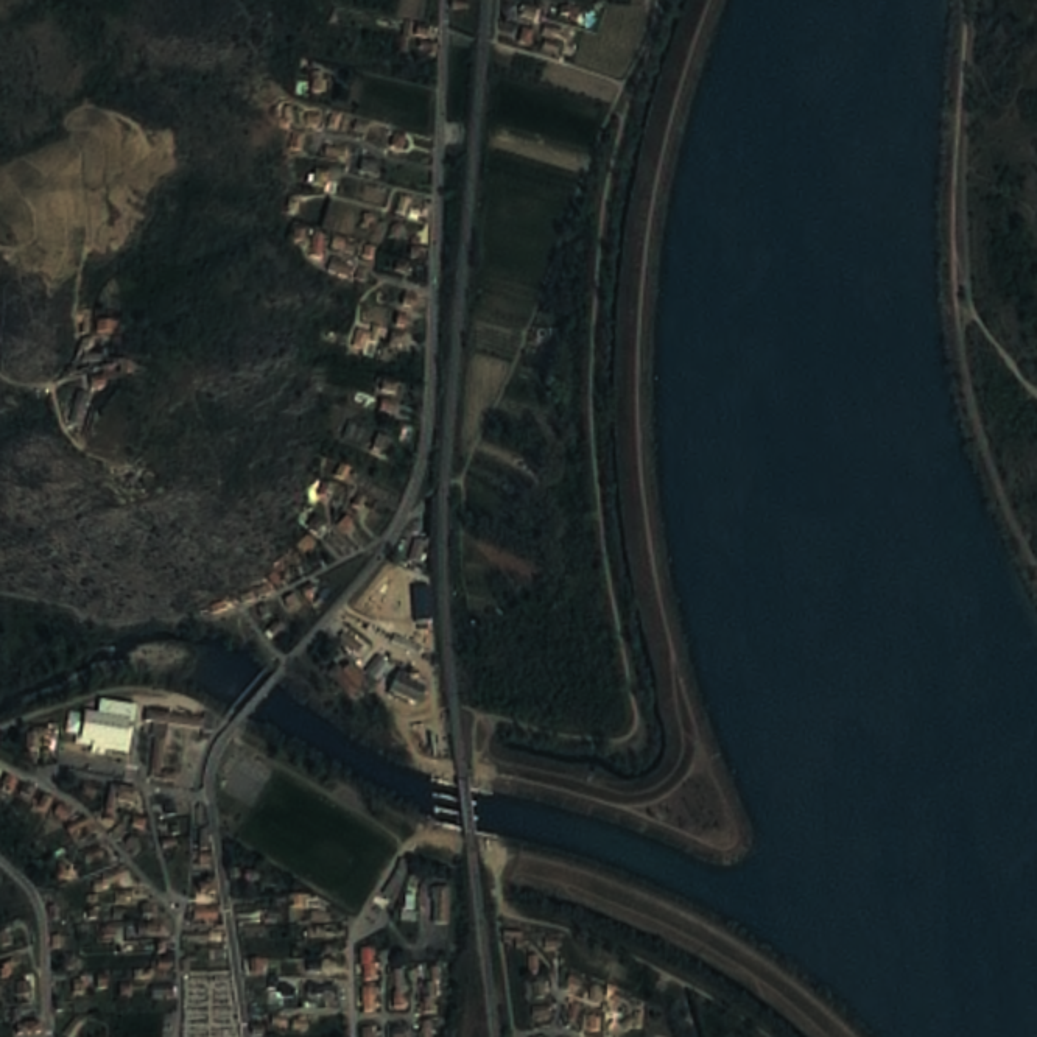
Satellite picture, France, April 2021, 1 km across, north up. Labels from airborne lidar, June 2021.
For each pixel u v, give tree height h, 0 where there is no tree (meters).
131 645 0
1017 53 9
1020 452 5
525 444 27
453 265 16
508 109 0
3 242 0
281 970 0
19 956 0
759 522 0
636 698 15
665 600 0
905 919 0
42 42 0
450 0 0
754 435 0
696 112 0
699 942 0
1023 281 10
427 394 0
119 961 0
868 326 0
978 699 0
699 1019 9
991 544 0
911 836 0
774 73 0
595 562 10
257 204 7
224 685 0
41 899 0
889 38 0
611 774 0
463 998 0
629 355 0
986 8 8
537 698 8
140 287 0
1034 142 0
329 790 8
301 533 7
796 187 0
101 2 0
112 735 0
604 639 8
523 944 0
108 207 0
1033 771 0
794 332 0
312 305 13
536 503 37
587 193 18
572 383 13
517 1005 0
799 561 0
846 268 0
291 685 12
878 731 0
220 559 7
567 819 0
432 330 0
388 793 12
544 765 0
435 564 10
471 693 11
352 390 0
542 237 0
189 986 0
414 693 0
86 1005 0
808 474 0
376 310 0
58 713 0
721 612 0
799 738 0
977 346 6
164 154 0
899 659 0
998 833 0
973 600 0
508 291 0
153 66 15
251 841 0
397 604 0
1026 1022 0
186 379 0
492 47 0
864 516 0
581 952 0
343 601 0
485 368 0
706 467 0
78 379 0
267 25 7
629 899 0
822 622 0
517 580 19
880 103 0
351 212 0
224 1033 0
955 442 0
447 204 6
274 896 6
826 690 0
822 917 0
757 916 0
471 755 0
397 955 11
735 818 0
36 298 0
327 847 0
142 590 0
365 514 0
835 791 0
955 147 0
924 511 0
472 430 0
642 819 0
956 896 0
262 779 0
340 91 13
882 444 0
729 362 0
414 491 0
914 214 0
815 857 0
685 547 0
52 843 0
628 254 0
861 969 0
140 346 7
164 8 0
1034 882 0
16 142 8
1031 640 0
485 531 31
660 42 26
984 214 0
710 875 0
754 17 0
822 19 0
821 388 0
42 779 0
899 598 0
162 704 0
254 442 7
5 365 0
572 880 0
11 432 8
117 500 0
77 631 18
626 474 0
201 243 6
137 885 0
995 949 0
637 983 0
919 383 0
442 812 0
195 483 6
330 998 0
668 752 0
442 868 12
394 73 6
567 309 16
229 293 0
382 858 0
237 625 0
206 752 0
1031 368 13
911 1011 0
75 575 0
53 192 0
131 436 0
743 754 0
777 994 0
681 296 0
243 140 0
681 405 0
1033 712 0
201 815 0
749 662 0
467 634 11
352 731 14
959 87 0
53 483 0
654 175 0
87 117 0
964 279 0
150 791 0
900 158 0
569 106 0
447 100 0
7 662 15
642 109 7
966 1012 0
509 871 0
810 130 0
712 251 0
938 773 0
